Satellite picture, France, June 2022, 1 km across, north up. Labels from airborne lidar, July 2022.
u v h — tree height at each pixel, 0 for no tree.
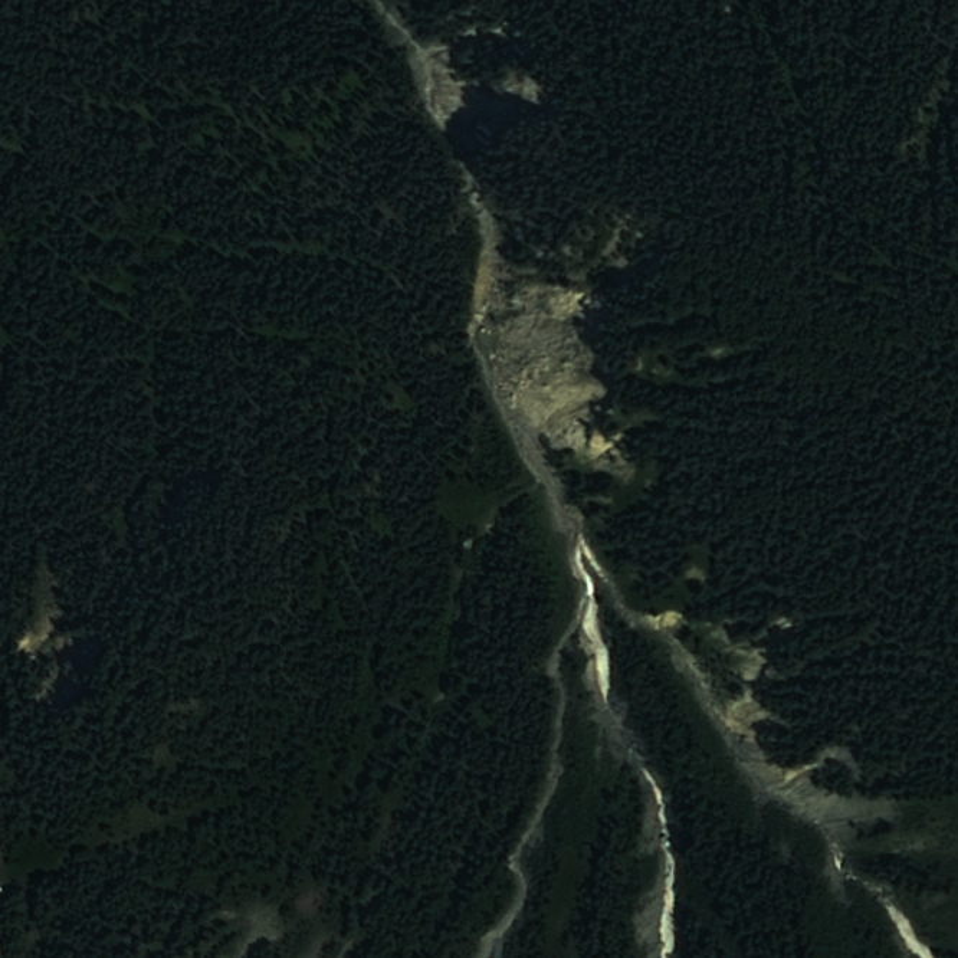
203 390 22
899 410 19
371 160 31
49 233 25
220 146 30
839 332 26
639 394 16
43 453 20
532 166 21
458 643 8
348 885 23
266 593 23
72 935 20
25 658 17
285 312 32
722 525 27
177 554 19
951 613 20
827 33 27
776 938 26
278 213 29
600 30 13
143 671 21
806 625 7
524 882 0
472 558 8
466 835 30
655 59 11
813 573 17
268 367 25
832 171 21
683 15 26
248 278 34
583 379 0
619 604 0
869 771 27
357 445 11
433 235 22
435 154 15
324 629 22
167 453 31
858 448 21
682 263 23
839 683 13
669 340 23
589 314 0
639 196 24
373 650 7
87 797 23
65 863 11
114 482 19
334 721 23
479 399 21
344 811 9
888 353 22
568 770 6
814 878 10
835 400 19
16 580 24
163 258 9
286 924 8
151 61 23
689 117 12
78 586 20
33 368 16
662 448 20
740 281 26
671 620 0
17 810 18
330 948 13
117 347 23
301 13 22
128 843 10
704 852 27
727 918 32
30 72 28
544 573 10
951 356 23
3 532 7
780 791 0
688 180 27
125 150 34
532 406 0
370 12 11
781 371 19
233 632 27
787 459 27
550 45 22
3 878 0
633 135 31
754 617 12
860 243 12
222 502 20
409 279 27
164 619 29
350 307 30
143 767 24
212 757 18
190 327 9
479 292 0
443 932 28
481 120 10
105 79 27
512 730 26
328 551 15
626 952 20
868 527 17
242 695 27
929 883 20
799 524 25
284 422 23
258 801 26
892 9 32
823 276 24
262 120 30
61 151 31
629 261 18
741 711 0
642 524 18
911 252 26
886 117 26
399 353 28
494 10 10
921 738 16
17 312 25
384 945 27
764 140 24
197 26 25
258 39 16
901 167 28
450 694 29
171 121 31
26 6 21
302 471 21
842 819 0
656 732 13
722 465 20
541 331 0
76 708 20
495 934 0
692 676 0
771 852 18
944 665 21
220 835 22
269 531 20
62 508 27
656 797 0
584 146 24
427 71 0
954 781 17
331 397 8
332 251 10
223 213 32
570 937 11
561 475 8
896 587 22
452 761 27
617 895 26
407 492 28
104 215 27
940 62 22
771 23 9
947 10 35
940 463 24
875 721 15
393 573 28
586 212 15
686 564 29
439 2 22
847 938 9
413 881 26
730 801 6
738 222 11
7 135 27
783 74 10
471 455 22
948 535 21
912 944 0
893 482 24
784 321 23
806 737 11
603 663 0
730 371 24
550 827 6
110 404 27
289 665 18
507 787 32
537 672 7
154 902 25
